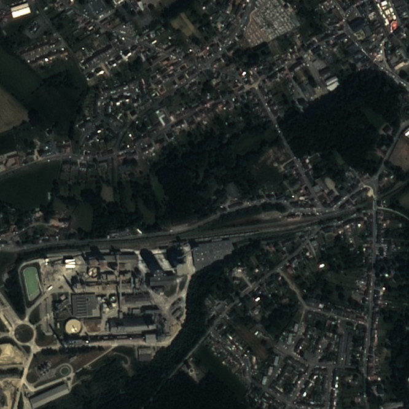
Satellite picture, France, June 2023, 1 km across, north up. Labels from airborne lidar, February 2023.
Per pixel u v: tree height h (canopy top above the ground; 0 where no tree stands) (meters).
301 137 28
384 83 30
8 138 0
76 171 0
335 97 30
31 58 0
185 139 0
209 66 0
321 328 13
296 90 0
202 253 0
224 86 0
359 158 20
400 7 0
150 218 0
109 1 17
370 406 0
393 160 0
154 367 7
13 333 0
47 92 0
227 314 0
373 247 0
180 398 16
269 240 0
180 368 0
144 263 0
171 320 0
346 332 0
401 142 0
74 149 0
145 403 10
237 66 0
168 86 0
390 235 15
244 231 0
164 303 0
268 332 14
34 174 0
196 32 0
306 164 0
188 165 12
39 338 0
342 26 0
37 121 22
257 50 13
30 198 0
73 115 0
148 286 0
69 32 0
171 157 11
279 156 0
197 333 7
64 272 0
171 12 16
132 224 15
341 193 0
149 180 7
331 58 0
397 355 22
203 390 17
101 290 0
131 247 0
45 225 0
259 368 0
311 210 0
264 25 0
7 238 0
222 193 20
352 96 34
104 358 0
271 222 0
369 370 0
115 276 0
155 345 0
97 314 0
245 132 8
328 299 0
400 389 20
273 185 0
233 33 0
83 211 0
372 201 0
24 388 0
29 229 0
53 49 0
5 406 0
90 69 0
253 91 0
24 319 0
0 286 0
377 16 0
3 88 0
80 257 0
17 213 7
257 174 0
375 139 24
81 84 0
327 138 29
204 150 21
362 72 17
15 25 0
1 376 0
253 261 0
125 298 0
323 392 0
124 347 0
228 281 16
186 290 0
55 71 0
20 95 0
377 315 0
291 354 0
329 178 0
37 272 0
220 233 0
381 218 0
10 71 0
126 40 0
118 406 16
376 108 22
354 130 18
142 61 10
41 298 0
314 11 8
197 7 0
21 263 12
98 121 0
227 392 12
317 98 0
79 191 0
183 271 0
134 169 0
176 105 0
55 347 0
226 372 0
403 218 8
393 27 0
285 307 13
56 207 0
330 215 0
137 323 0
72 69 0
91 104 0
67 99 0
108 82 0
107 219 13
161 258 0
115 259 0
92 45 0
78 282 0
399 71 0
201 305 19
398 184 0
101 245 0
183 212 37
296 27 0
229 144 23
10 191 0
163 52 0
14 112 0
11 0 0
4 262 0
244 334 0
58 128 13
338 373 0
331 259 9
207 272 9
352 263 7
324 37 0
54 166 0
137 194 9
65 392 0
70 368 0
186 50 0
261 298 14
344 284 0
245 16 0
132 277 0
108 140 9
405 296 8
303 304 0
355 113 24
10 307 0
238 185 6
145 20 0
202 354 0
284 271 0
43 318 0
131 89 0
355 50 0
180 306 0
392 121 12
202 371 0
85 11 0
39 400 0
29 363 0
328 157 16
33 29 0
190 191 40
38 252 10
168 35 0
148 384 9
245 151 0
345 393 0
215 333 0
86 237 14
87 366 0
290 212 0
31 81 0
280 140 8
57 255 0
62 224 0
